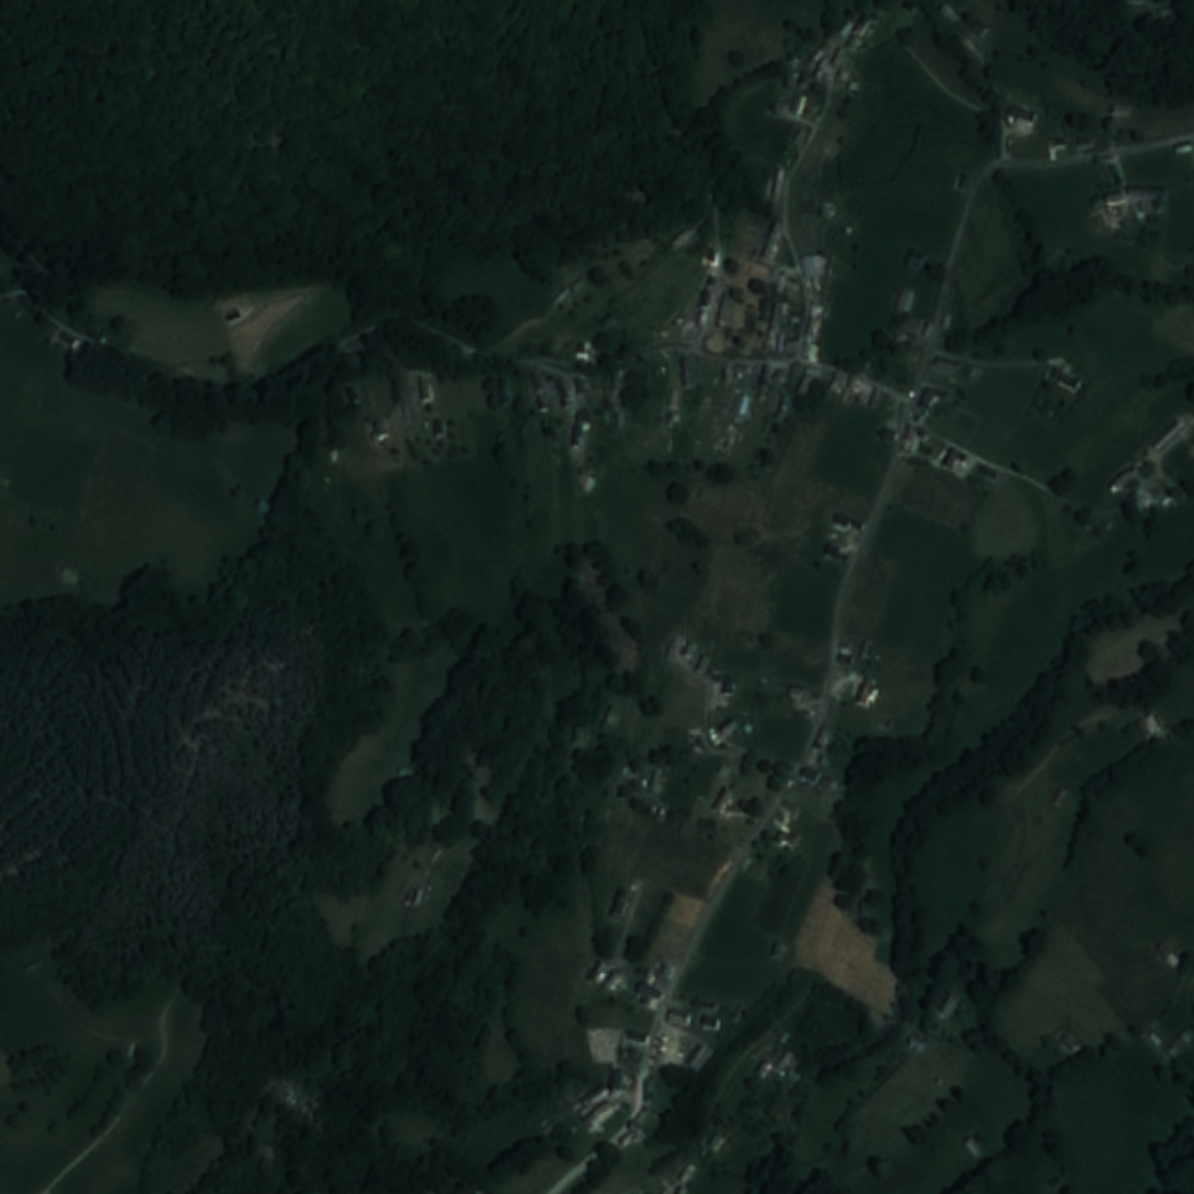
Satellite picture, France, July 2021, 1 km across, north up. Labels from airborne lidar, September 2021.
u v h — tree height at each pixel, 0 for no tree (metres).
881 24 0
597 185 21
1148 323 0
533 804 14
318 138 12
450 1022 20
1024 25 0
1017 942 0
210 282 17
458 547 0
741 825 0
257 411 25
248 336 0
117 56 21
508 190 15
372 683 15
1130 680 16
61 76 20
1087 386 10
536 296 0
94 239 21
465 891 11
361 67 21
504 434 11
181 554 0
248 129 22
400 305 26
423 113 20
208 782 17
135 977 10
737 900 0
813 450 0
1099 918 0
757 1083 8
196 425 18
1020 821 0
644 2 30
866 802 11
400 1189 13
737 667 0
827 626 0
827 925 0
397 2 25
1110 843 0
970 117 0
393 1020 24
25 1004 0
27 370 0
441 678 0
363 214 29
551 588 0
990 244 0
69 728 25
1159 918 0
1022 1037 0
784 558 0
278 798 9
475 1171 22
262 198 26
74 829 21
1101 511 0
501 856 24
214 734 19
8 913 10
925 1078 0
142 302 0
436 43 23
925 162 0
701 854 0
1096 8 23
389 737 0
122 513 0
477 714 23
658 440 0
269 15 14
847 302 0
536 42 30
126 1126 0
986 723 0
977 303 0
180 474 0
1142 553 15
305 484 21
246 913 23
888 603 0
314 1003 26
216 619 21
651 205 16
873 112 0
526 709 16
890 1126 0
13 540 0
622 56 26
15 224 29
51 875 18
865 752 16
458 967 23
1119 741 0
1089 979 0
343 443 15
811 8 0
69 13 17
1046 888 0
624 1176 0
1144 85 20
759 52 0
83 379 17
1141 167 0
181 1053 0
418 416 0
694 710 0
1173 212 0
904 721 0
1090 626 14
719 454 0
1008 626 0
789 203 0
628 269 12
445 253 9
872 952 0
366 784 0
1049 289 25
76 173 22
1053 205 0
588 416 9
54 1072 16
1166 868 0
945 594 0
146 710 18
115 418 0
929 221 0
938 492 0
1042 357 12
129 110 24
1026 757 21
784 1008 12
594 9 28
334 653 18
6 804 17
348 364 20
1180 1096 0
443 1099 16
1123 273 14
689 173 15
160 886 8
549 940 0
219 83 18
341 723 29
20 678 22
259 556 17
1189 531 0
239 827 21
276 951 20
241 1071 14
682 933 0
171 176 22
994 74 14
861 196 0
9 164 27
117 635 23
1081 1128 0
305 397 26
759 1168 12
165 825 22
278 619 20
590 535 0
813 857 0
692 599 0
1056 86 0
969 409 0
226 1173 15
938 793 19
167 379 21
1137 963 0
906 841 19
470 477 0
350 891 19
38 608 20
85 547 0
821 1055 11
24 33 19
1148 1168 0
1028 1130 19
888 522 0
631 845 0
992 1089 0
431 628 7
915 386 0
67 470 0
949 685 13
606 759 21
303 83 25
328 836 28
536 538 0
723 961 0
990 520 0
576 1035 0
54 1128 11
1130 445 0
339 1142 16
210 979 20
